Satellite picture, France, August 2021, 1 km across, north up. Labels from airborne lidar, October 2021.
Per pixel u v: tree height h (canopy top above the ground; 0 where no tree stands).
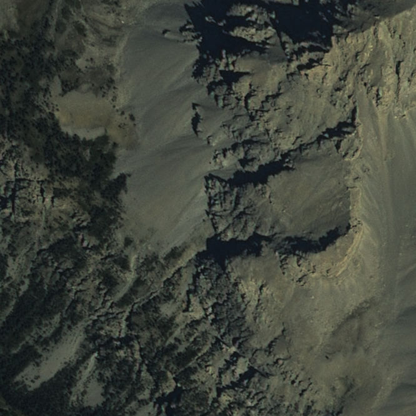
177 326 0
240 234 0
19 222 6
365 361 0
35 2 0
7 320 6
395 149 0
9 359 7
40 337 9
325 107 0
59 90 0
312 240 0
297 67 0
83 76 0
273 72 0
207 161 0
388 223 0
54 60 7
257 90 0
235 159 0
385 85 0
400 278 0
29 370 0
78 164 10
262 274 0
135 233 0
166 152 0
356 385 0
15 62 8
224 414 8
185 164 0
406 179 0
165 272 0
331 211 0
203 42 0
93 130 0
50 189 0
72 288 7
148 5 0
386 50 0
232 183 0
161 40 0
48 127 9
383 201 0
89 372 0
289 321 0
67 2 0
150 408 0
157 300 8
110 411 9
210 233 0
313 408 0
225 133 0
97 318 7
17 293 8
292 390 0
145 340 0
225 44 0
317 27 0
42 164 0
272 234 0
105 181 0
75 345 0
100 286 9
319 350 0
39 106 8
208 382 0
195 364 0
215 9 0
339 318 0
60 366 0
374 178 0
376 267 0
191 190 0
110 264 9
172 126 0
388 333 0
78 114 0
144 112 0
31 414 10
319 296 0
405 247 0
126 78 0
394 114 0
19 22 0
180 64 0
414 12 0
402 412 0
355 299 0
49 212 0
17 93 0
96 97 0
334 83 0
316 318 0
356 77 0
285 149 0
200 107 0
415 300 0
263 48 0
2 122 10
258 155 0
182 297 0
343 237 0
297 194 0
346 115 0
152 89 0
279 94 0
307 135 0
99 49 0
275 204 0
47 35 0
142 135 0
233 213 0
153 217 0
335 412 0
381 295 0
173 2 0
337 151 0
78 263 6
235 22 0
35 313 7
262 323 0
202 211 0
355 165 0
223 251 0
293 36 0
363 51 0
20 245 0
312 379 0
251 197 0
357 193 0
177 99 0
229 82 0
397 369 0
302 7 0
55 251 7
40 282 7
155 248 0
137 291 0
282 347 0
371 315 0
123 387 10
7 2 0
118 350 26
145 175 0
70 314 8
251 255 0
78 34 0
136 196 0
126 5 0
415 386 0
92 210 7
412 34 0
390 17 0
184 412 9
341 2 0
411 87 0
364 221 0
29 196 8
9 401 9
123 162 0
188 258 0
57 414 9
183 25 0
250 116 0
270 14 0
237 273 0
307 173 0
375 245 0
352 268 0
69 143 8
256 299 0
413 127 0
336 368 0
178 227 0
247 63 0
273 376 0
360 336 0
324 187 0
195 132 0
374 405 0
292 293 0
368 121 0
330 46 0
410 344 0
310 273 0
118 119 0
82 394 7
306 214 0
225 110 0
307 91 0
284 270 0
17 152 6
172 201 0
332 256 0
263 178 0
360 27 0
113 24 0
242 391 7
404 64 0
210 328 0
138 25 0
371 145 0
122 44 0
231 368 9
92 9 0
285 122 0
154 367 10
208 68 0
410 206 0
